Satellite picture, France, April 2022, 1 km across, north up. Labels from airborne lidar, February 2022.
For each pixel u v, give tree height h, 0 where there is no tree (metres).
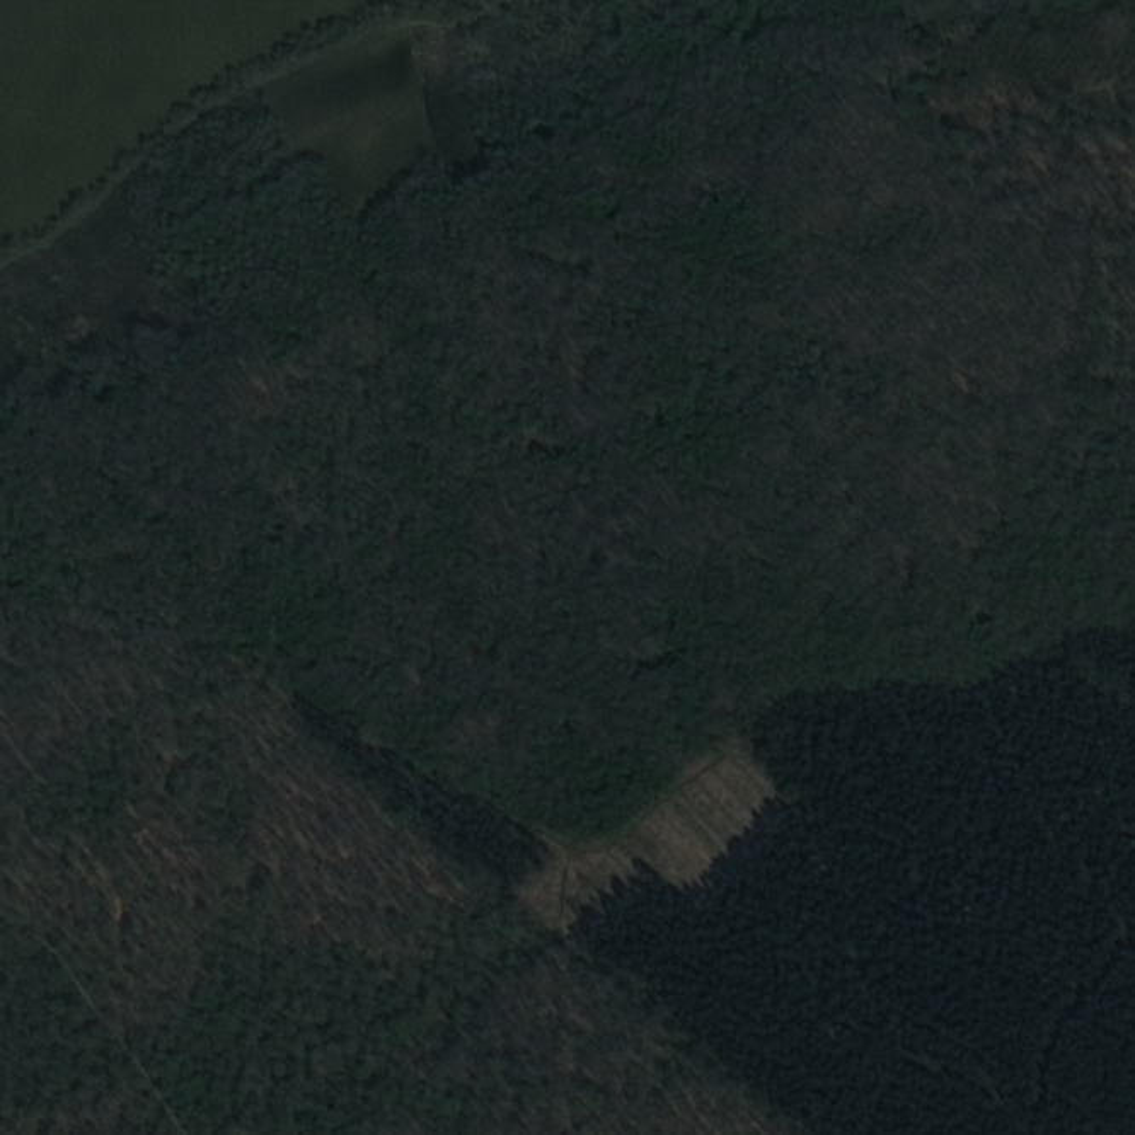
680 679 28
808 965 25
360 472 28
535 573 27
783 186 33
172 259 19
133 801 27
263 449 28
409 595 28
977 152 31
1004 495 27
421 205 24
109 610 28
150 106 0
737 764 0
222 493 27
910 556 27
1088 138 32
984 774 30
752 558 25
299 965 26
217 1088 25
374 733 25
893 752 29
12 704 32
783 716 20
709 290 25
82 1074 25
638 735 28
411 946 27
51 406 27
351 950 26
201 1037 24
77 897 28
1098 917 27
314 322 23
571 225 24
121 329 0
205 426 28
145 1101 26
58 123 0
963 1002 26
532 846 27
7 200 0
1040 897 25
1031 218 31
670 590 32
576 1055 33
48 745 31
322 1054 26
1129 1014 30
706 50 21
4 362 0
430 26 0
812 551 28
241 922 26
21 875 31
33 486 27
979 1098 32
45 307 0
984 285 29
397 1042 29
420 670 29
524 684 26
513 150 17
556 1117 32
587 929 0
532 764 28
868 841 25
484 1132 30
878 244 22
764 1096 30
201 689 27
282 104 0
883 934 34
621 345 31
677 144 25
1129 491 28
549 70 28
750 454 22
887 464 28
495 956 28
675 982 28
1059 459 22
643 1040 31
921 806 25
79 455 24
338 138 0
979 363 29
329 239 26
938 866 27
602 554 27
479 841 21
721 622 25
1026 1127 30
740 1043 29
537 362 28
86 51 0
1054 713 28
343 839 32
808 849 29
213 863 30
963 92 14
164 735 29
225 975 24
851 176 31
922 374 28
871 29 28
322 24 9
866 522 29
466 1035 29
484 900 26
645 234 26
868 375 23
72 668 31
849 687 25
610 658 29
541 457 22
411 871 31
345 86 0
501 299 24
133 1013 29
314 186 22
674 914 33
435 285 25
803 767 28
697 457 27
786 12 19
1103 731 22
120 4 0
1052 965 25
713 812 0
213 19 0
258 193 20
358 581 29
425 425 21
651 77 28
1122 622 25
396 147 0
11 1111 30
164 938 28
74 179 0
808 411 28
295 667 26
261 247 23
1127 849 24
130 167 14
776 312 29
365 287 23
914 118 31
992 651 28
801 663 24
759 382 28
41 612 28
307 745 28
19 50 0
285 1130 26
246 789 25
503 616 27
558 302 30
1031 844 25
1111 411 24
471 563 27
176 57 0
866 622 25
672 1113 33
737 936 19
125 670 32
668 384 27
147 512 27
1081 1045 30
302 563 25
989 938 28
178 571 26
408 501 26
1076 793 31
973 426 26
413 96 0
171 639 31
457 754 28
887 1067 27
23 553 23
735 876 27
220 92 15
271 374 28
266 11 0
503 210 20
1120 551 23
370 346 29
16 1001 30
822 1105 28
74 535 25
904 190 30
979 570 27
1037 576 25
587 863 0
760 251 30
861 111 33
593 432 33
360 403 28
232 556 23
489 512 26
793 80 28
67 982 25
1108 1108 27
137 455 28
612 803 26
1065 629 25
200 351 25
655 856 0
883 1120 31
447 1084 25
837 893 28
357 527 28
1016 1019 31
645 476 28
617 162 27
